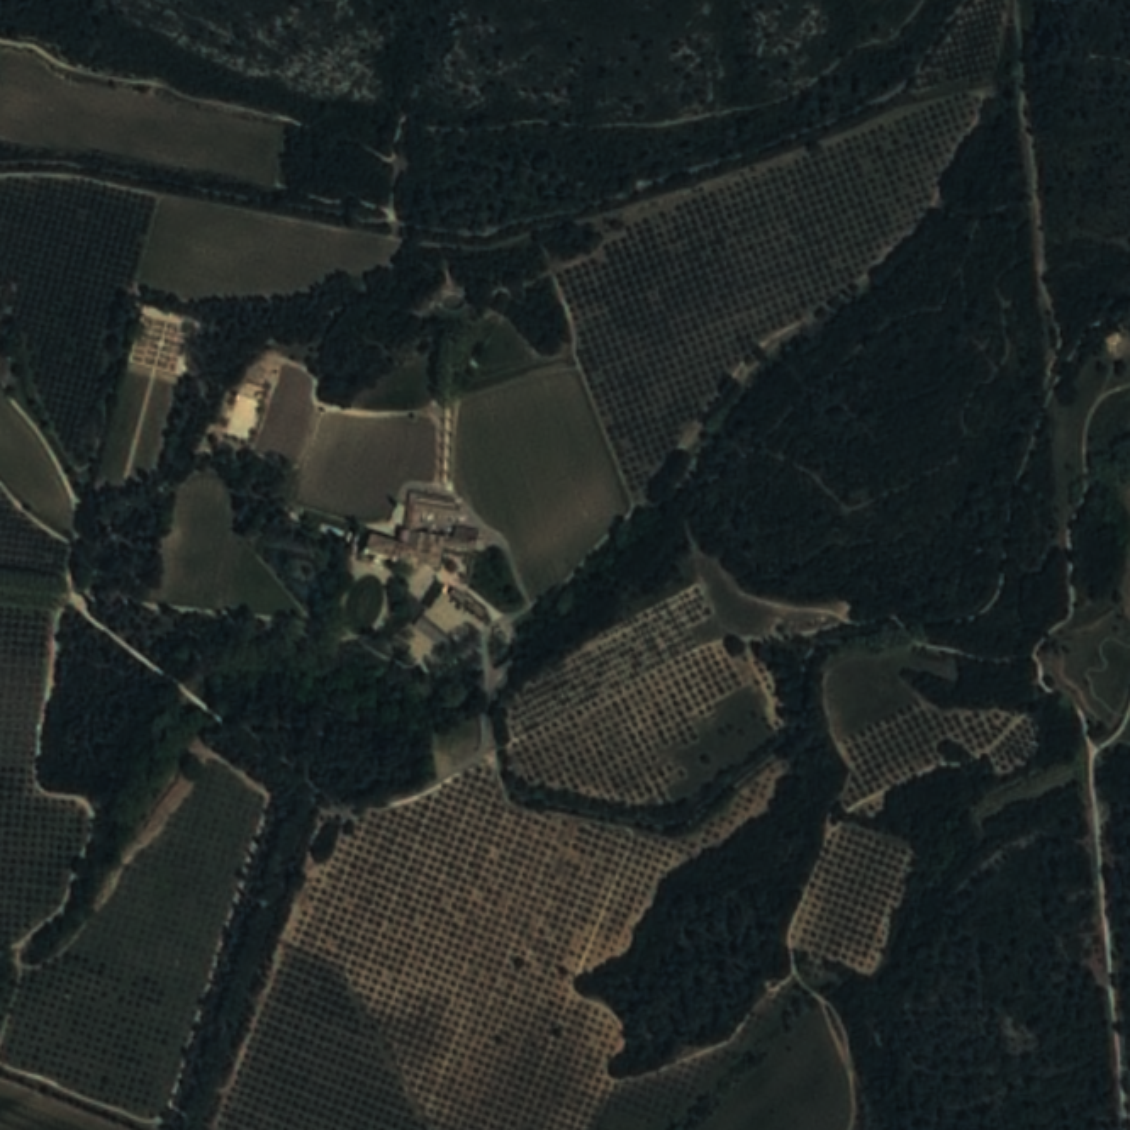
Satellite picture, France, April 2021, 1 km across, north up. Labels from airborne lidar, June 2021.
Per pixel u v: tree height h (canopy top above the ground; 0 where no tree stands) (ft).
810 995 30
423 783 36
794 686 28
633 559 39
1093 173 22
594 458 0
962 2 22
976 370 19
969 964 41
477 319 18
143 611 52
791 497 18
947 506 20
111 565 70
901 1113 49
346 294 18
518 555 0
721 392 23
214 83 19
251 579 0
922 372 20
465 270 26
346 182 19
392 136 25
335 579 45
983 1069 45
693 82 21
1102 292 17
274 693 38
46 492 0
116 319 53
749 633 0
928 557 19
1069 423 0
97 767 26
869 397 18
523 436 0
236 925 23
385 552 0
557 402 0
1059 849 49
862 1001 25
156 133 0
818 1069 0
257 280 0
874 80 18
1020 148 20
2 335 38
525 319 30
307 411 0
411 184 23
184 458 31
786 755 40
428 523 0
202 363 35
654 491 36
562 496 0
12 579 71
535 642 28
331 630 84
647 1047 55
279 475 39
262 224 0
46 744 23
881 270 32
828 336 22
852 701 0
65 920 37
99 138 0
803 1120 0
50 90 0
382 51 20
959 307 18
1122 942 45
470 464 0
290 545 40
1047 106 21
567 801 28
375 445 0
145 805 68
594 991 17
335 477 0
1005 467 35
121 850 25
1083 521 26
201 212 0
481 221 42
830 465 22
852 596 31
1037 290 22
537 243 34
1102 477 46
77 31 19
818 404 44
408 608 39
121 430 0
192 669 35
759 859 21
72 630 22
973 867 23
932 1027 44
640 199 22
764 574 26
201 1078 42
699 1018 63
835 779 32
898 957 24
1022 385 20
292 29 26
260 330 23
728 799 38
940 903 22
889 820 20
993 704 21
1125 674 0
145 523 72
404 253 20
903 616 23
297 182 23
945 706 20
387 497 0
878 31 36
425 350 35
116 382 24
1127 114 31
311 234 0
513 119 20
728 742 0
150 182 19
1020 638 30
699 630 0
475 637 58
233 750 22
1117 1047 0
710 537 27
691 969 54
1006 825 21
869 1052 21
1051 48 45
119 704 24
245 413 0
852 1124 0
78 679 20
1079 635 0
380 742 31
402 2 35
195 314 29
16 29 32
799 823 19
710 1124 0
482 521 0
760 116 28
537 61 29
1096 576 22
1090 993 23
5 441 0
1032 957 26
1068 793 22
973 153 42
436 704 46
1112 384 0
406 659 54
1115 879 46
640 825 20
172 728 62
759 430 19
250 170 0
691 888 25
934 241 31
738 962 54
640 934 25
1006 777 19
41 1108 0
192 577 0
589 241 45
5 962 43
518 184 49
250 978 41
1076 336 32
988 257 21
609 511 0
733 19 21
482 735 0
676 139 19
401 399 0
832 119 21
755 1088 0
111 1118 30
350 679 55
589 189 18
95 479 20
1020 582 21
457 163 26
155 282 0
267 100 19
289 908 24
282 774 44
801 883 25
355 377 30
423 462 0
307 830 23
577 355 0
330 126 29
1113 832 17
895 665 0
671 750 0
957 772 23
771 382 21
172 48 17
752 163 21
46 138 0
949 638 29
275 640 57
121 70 18
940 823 23
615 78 30
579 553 0
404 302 28
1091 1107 33
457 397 61
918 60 40
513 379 0
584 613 31
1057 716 28
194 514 0
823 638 25
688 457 35
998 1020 37
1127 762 31
